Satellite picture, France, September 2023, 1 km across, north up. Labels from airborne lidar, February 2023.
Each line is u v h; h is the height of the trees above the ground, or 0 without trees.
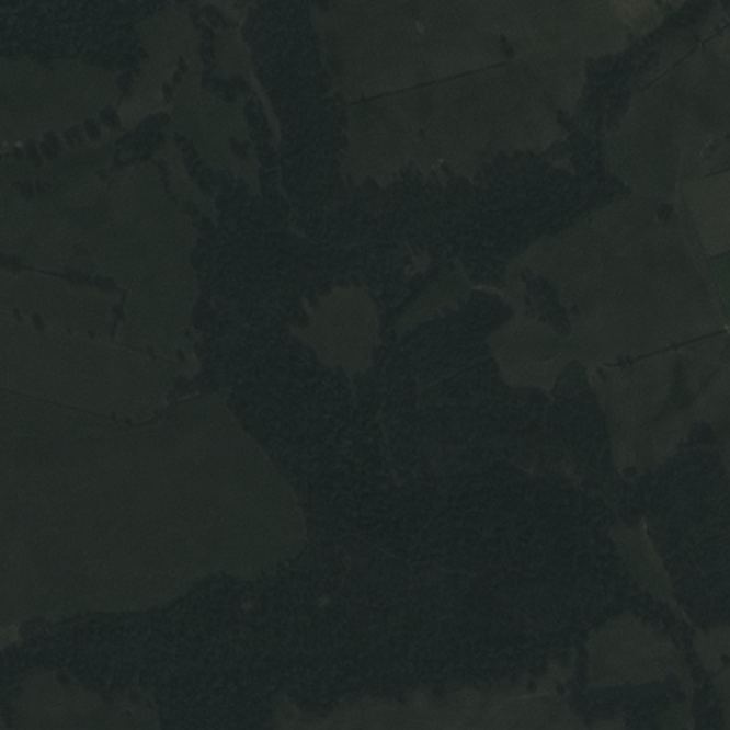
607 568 11
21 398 0
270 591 7
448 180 10
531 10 0
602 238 0
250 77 0
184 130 0
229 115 0
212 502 0
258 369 24
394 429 14
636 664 0
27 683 0
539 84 0
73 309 0
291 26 16
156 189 0
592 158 19
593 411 12
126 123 0
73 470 0
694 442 19
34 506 0
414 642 6
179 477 0
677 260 0
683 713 0
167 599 0
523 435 6
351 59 0
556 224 13
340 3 0
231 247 20
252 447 0
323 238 17
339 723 0
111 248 0
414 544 8
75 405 0
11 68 0
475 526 17
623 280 0
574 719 0
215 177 9
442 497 18
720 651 0
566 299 0
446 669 20
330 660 13
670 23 14
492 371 6
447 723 0
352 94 0
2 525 0
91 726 0
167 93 12
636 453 0
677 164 0
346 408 14
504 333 0
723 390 0
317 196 11
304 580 12
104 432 0
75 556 0
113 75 0
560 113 8
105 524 0
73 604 0
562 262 0
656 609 6
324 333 0
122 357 0
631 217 0
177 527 0
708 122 0
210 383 13
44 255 0
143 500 0
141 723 0
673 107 0
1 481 0
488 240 21
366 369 0
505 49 11
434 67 0
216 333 12
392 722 0
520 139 0
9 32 16
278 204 17
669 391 0
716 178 0
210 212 0
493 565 7
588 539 17
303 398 17
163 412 8
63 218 0
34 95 0
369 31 0
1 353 0
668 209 6
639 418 0
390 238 16
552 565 8
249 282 13
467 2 0
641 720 24
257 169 0
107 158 0
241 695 25
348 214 13
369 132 0
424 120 0
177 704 22
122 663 11
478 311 10
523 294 0
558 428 16
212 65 13
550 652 13
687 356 0
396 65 0
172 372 0
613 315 0
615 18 0
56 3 7
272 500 0
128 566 0
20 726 0
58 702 0
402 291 17
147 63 0
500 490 15
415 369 10
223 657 12
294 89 18
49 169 0
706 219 0
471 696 0
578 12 0
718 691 29
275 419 12
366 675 19
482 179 10
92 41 22
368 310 0
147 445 0
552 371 0
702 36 0
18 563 0
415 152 0
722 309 0
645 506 19
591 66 13
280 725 0
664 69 0
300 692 18
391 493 16
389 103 0
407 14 0
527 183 16
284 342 20
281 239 24
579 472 10
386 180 0
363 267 11
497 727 0
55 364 0
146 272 0
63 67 0
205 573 0
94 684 23
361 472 14
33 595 0
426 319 0
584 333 0
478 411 6
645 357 0
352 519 10
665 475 16
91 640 6
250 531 0
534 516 21
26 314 0
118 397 0
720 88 0
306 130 17
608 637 0
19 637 0
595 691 0
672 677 0
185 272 0
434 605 8
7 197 0
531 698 0
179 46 0
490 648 23
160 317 0
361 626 6
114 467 0
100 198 0
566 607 14
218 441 0
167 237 0
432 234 10
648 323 0
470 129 0
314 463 10
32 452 0
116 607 0
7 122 0
